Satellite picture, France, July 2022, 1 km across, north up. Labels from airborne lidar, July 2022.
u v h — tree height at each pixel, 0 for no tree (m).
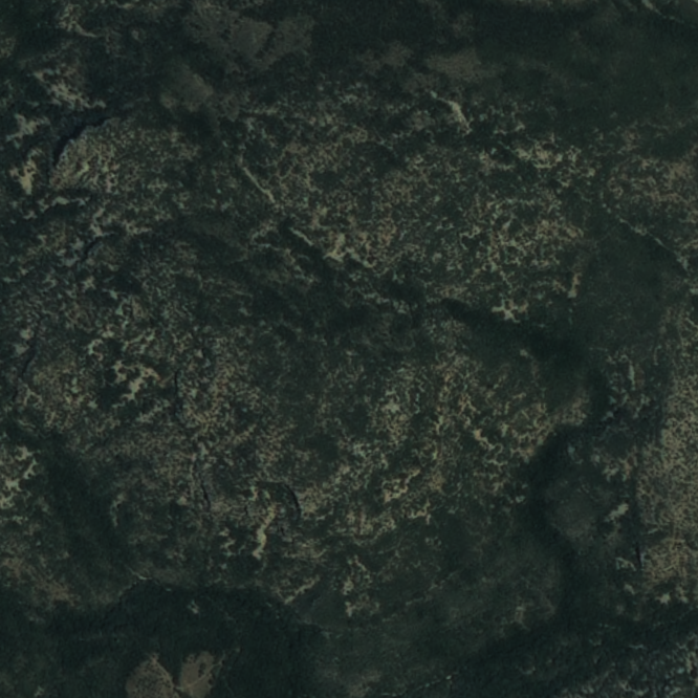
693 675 7
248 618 9
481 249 5
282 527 10
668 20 6
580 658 10
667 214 0
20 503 7
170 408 6
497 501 7
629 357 7
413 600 6
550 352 7
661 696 7
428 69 6
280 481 15
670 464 0
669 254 7
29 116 8
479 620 7
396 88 5
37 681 6
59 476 5
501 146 7
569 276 8
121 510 7
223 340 0
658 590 9
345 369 0
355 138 0
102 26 6
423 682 7
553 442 9
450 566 7
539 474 13
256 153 6
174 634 6
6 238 6
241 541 6
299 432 0
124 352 5
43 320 8
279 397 0
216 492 0
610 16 0
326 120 0
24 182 0
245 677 11
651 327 0
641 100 0
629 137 0
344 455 0
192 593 11
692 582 5
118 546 7
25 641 6
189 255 0
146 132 0
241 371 0
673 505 0
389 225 0
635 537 6
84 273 6
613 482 6
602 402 8
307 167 0
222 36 5
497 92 0
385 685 7
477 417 6
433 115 6
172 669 8
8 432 8
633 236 6
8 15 6
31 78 6
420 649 7
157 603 8
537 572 6
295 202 0
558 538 13
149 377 6
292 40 0
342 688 6
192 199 0
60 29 9
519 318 10
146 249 6
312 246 6
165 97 0
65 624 11
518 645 5
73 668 8
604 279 0
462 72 0
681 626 8
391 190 0
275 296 6
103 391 7
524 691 7
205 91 0
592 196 6
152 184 0
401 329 6
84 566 6
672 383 0
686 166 0
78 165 7
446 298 14
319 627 9
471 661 12
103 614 13
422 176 0
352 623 7
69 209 6
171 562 6
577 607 10
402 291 7
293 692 7
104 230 7
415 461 6
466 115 7
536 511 8
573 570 7
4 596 5
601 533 7
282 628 7
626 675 6
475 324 7
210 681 6
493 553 6
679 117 0
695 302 6
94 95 6
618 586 10
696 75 0
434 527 6
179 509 5
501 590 11
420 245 0
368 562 0
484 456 7
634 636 7
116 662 6
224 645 11
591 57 0
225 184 0
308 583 0
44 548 7
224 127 6
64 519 6
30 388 7
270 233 6
